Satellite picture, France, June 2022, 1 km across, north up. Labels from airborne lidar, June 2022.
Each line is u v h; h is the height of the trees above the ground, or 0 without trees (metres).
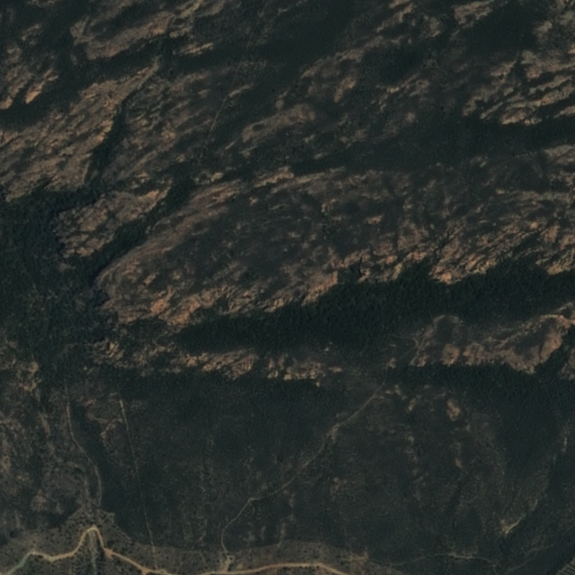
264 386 6
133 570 7
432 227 0
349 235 0
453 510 6
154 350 6
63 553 0
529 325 0
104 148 9
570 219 0
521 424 6
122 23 8
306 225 0
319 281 0
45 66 7
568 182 0
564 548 0
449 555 6
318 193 0
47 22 5
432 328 0
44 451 7
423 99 0
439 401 0
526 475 6
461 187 0
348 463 0
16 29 6
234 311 11
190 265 0
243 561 0
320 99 0
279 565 0
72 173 0
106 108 0
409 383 8
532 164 0
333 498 0
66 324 10
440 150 7
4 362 7
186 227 0
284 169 0
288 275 0
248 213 0
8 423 0
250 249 0
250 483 0
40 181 20
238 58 8
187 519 0
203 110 0
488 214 0
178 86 0
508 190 0
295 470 0
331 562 0
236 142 0
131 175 0
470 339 0
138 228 11
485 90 0
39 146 0
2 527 0
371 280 13
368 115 0
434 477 0
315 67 0
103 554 7
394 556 6
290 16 7
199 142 0
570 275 6
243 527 0
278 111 0
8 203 12
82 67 6
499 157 0
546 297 10
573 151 0
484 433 0
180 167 7
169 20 0
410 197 0
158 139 0
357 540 0
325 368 0
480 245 0
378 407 0
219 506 0
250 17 6
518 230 0
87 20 0
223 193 0
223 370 7
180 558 0
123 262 0
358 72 0
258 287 0
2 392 8
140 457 7
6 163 0
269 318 8
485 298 14
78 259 15
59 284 8
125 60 6
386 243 0
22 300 12
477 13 0
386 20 0
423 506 0
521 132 6
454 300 11
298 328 9
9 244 7
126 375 5
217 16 7
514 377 11
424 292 9
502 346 0
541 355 0
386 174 0
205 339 6
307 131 0
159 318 8
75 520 6
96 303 11
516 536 10
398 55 7
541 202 0
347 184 0
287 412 5
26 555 0
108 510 7
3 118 7
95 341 6
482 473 0
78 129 0
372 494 0
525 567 0
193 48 0
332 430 0
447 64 0
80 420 6
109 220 0
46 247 12
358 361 6
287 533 0
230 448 6
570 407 8
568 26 0
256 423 6
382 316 14
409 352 0
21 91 7
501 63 0
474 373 8
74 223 8
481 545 0
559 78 0
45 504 0
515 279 11
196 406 6
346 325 15
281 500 0
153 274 0
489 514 0
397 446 0
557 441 8
